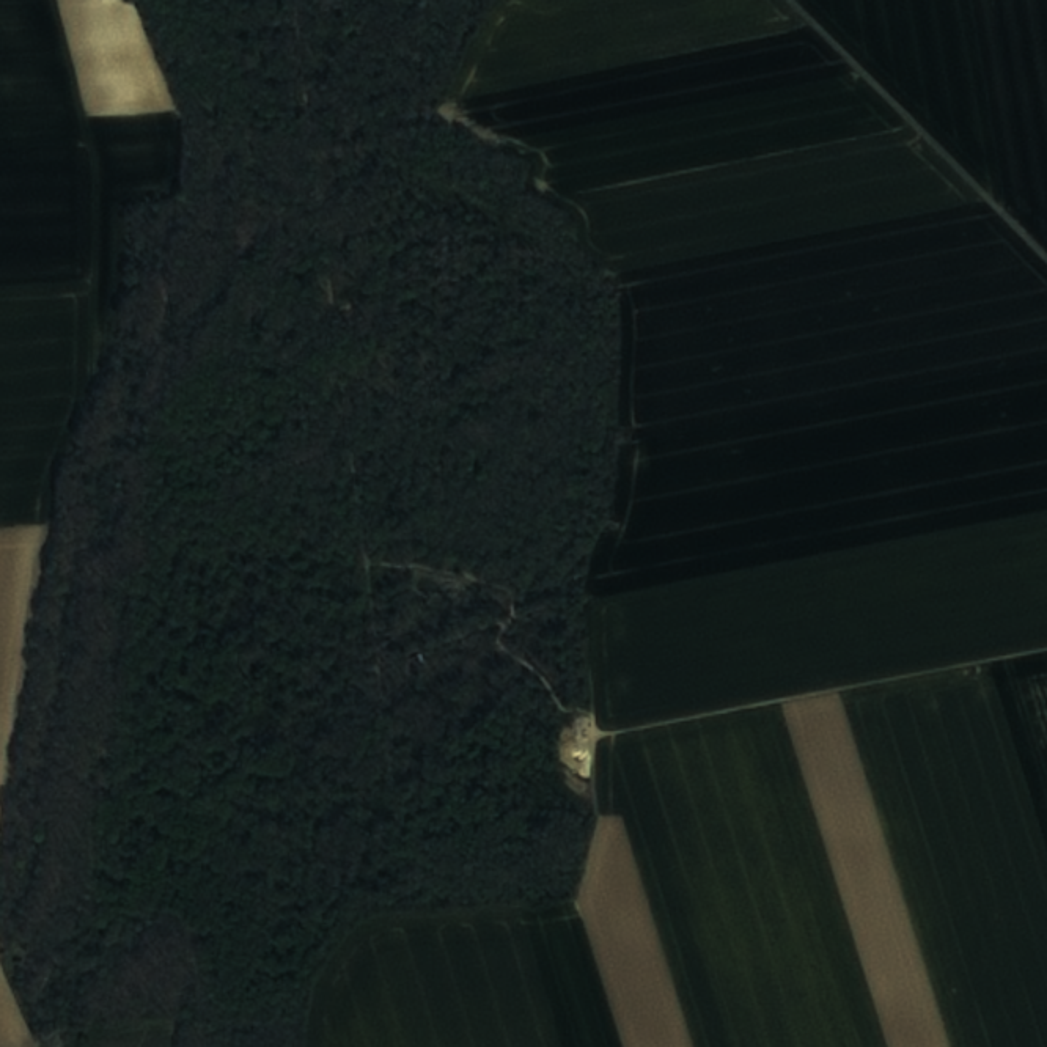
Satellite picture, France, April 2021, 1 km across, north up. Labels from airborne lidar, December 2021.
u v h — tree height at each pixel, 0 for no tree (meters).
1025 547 0
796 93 0
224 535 21
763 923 0
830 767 0
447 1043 0
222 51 22
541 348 17
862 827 0
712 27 0
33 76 0
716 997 0
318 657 15
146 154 0
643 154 0
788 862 0
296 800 16
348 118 22
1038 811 0
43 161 0
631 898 0
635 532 0
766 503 0
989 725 0
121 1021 17
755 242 0
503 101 0
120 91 0
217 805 23
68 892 19
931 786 0
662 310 0
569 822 20
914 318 0
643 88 0
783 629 0
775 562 0
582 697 14
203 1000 21
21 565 0
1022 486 0
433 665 20
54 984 16
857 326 0
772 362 0
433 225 22
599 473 15
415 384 20
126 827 19
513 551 15
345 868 15
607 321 18
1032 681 0
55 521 14
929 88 0
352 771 18
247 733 21
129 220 19
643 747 0
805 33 0
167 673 21
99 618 22
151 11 17
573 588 14
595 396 17
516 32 0
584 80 0
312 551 19
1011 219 0
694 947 0
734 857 0
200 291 19
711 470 0
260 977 17
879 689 0
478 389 13
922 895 0
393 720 20
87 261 0
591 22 0
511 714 20
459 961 0
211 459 13
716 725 0
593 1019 0
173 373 20
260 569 14
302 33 22
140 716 19
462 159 24
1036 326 0
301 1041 22
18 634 0
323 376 22
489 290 17
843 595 0
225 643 17
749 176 0
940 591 0
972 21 0
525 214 21
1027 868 0
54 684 17
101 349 0
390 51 18
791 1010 0
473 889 21
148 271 14
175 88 15
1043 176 0
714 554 0
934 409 0
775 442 0
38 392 0
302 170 23
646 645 0
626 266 0
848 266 0
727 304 0
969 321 0
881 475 0
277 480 19
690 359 0
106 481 8
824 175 0
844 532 0
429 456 19
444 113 0
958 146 0
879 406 0
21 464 0
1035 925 0
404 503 16
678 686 0
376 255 18
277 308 21
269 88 22
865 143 0
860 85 0
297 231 23
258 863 15
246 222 24
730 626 0
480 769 18
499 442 21
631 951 0
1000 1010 0
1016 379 0
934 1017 0
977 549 0
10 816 19
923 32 0
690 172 0
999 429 0
